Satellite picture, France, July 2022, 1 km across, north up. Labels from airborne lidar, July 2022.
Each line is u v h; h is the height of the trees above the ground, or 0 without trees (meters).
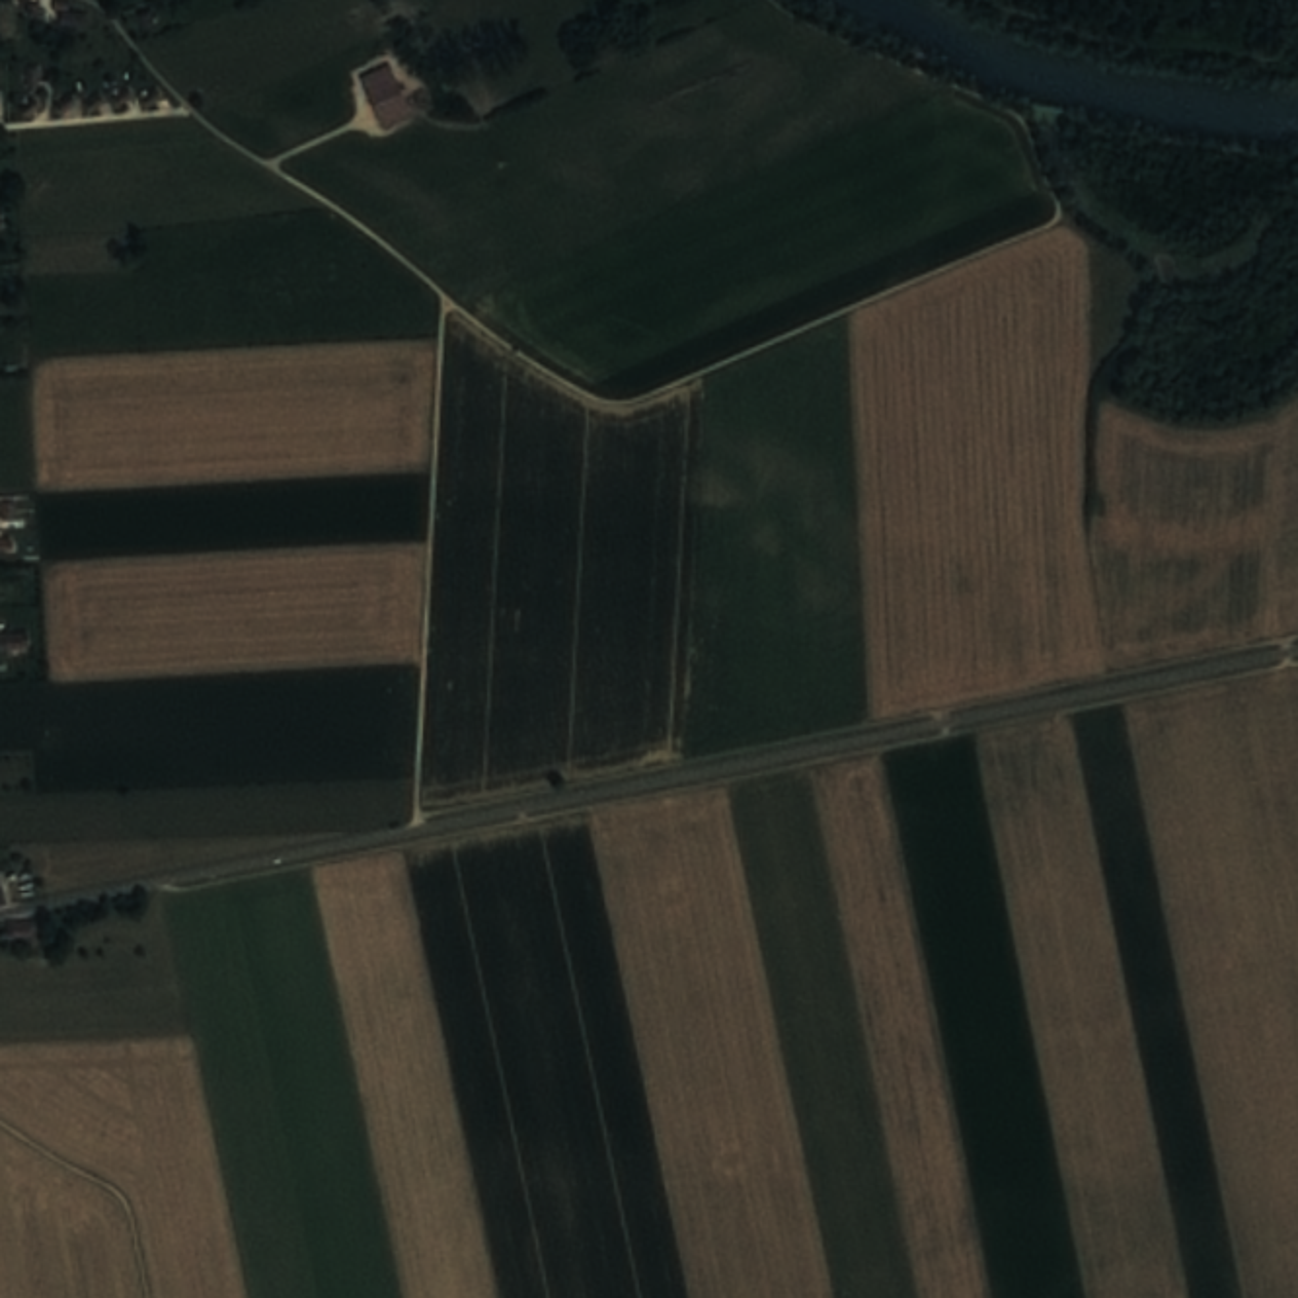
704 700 0
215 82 0
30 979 0
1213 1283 0
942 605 0
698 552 0
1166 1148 0
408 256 0
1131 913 0
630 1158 0
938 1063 0
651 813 0
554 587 0
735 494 0
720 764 0
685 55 0
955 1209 0
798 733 0
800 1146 0
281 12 0
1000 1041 0
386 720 0
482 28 0
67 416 0
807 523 0
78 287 0
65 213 0
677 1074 0
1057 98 0
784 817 0
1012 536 0
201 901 0
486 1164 0
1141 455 0
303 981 0
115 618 0
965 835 0
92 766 0
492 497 0
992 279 0
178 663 0
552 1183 0
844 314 0
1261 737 0
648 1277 0
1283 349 8
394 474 0
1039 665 0
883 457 0
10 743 0
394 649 0
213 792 0
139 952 6
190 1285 0
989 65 0
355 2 0
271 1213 0
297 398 0
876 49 12
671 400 0
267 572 0
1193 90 0
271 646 0
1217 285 10
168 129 0
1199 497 0
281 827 0
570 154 0
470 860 0
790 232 0
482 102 0
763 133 0
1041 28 9
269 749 0
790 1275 0
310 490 0
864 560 0
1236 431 0
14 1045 0
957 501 0
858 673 0
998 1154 0
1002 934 0
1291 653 0
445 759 0
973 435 0
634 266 0
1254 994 0
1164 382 17
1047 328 0
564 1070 0
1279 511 0
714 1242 0
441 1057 0
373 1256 0
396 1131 0
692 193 0
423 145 0
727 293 0
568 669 0
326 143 0
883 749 0
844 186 0
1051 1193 0
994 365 0
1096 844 0
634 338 0
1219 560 0
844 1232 0
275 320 0
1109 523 0
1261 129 0
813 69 0
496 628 0
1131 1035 0
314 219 0
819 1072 0
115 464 0
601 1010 0
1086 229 9
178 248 0
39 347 0
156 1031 0
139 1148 0
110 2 15
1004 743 0
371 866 0
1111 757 0
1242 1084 0
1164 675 0
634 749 0
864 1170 0
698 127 0
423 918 0
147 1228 0
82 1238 0
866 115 0
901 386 0
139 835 0
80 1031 0
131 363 0
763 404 0
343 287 0
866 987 0
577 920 0
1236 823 0
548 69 0
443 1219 0
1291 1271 0
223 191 0
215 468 0
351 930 0
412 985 0
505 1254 0
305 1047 0
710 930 0
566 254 0
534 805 0
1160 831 0
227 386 0
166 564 0
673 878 0
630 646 0
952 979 0
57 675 0
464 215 0
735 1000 0
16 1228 0
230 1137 0
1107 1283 0
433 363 0
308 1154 0
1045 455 0
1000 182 0
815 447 0
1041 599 0
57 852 0
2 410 0
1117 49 12
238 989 0
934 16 0
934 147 0
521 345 0
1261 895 0
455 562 0
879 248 0
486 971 0
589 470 0
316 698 0
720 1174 0
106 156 0
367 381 0
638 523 0
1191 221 18
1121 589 0
